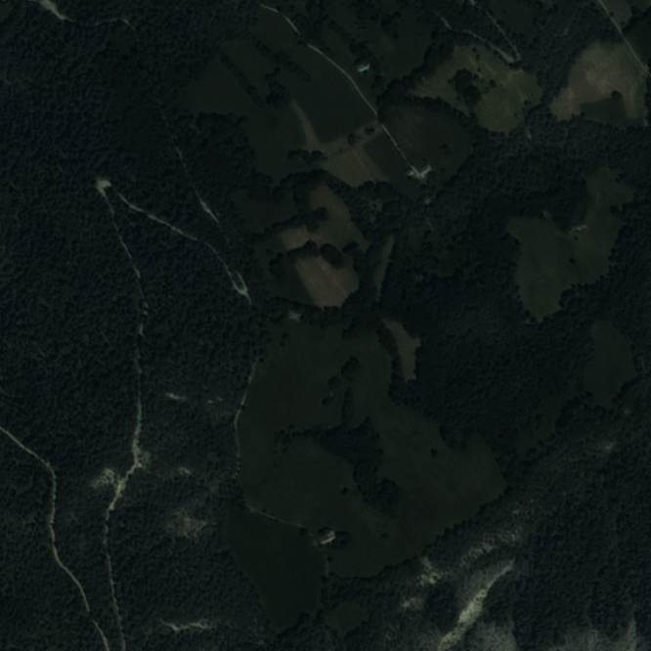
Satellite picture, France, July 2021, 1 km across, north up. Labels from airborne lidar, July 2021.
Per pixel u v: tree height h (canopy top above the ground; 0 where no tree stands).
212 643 8
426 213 11
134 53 12
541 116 17
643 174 24
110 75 7
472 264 16
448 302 26
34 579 12
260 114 0
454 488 0
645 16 16
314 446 0
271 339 15
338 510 0
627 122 0
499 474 0
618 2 0
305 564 0
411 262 10
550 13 16
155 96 9
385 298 17
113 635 10
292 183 15
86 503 6
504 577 7
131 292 15
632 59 0
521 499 8
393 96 20
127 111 15
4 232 15
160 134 10
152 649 13
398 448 0
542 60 17
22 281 16
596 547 17
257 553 0
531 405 20
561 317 21
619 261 23
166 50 15
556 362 26
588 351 20
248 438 0
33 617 11
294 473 0
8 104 22
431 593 13
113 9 15
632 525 16
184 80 12
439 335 22
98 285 23
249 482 0
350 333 18
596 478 7
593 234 0
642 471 12
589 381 0
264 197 23
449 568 6
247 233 15
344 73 0
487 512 17
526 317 19
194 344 20
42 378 26
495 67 0
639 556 13
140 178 13
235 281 10
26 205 9
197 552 14
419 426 0
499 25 14
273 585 0
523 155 17
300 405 0
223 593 13
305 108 0
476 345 20
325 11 18
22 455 11
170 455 13
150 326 16
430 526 0
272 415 0
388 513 15
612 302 29
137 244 21
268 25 0
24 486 16
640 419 12
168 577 16
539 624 11
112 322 18
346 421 11
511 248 21
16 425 17
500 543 10
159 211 8
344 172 0
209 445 21
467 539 15
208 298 18
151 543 13
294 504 0
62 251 26
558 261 0
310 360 0
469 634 6
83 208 12
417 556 8
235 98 0
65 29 15
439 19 19
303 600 0
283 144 0
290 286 0
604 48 0
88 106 26
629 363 0
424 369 26
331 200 0
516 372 19
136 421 10
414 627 6
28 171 22
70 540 11
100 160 21
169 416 8
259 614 13
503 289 25
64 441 13
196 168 18
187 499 10
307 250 16
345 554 0
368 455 26
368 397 0
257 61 0
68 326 21
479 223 25
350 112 0
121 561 21
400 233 15
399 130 0
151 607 17
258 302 15
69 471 14
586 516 19
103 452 11
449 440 20
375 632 6
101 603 10
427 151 0
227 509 9
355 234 0
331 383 9
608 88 0
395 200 18
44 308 13
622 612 13
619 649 0
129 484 10
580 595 10
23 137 21
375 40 0
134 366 15
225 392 14
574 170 19
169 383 12
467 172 20
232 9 15
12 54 15
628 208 22
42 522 14
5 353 23
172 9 19
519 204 24
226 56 16
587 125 12
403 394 25
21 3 16
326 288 0
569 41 13
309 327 0
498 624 7
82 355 16
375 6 14
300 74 7
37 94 20
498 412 24
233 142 21
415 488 0
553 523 10
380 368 0
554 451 16
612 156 19
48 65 19
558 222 15
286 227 11
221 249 12
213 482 8
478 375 26
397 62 0
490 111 0
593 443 13
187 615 8
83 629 9
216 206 21
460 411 35
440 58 26
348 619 0
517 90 0
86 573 16
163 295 21
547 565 11
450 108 19
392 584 13
